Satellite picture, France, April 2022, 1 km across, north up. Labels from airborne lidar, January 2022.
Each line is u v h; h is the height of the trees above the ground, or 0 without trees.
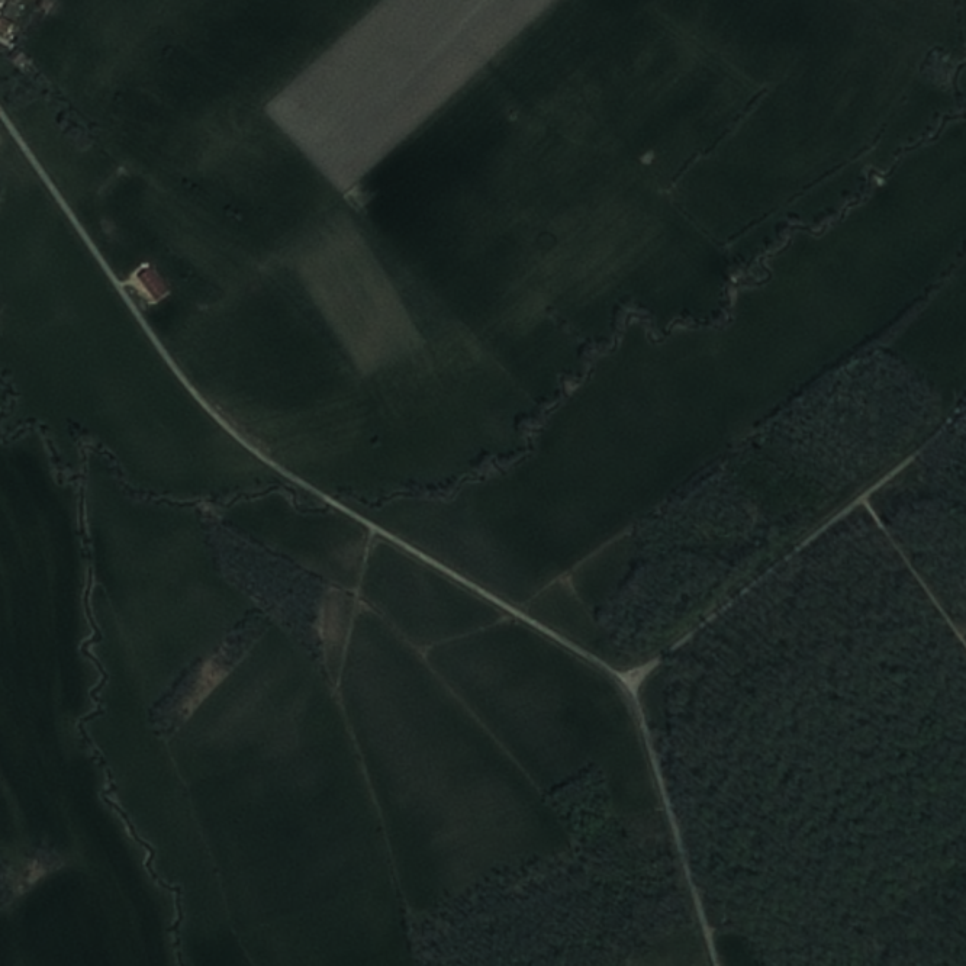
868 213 0
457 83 0
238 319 0
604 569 0
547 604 0
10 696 0
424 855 0
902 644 23
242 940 0
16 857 0
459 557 0
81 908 0
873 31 0
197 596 0
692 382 0
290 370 0
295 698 0
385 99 0
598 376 0
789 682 28
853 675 27
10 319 0
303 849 0
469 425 0
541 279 0
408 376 0
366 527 0
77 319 0
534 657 0
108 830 0
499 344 0
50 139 0
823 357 0
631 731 0
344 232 0
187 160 0
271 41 0
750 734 27
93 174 0
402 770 0
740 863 23
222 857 0
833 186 0
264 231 0
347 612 0
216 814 0
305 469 0
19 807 0
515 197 0
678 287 0
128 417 0
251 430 0
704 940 0
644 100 0
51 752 0
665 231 0
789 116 0
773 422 12
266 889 0
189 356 0
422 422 0
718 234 0
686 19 0
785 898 23
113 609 0
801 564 28
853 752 24
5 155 0
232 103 0
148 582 0
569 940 21
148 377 0
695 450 0
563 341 0
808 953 19
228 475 0
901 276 0
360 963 0
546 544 0
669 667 11
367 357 0
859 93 0
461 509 0
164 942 0
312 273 0
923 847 25
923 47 0
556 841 0
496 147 0
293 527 0
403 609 0
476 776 0
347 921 0
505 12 0
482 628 0
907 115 0
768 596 25
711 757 25
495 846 0
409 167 0
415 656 0
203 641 0
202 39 0
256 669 0
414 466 0
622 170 0
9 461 0
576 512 0
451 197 0
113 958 0
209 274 0
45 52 0
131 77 0
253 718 0
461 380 0
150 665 0
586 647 0
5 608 0
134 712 0
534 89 0
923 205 0
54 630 0
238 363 0
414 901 0
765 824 24
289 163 0
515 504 0
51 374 0
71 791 0
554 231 0
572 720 0
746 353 0
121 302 0
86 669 0
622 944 23
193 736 0
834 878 25
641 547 11
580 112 0
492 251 0
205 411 0
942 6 0
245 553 18
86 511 0
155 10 0
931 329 0
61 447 0
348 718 0
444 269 0
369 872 0
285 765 0
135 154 0
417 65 0
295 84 0
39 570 0
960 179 0
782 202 0
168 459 0
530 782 0
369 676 0
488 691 0
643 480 0
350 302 0
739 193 0
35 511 0
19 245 0
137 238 0
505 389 0
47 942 0
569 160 0
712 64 0
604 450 0
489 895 16
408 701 0
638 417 0
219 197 0
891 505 0
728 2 0
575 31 0
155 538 0
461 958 21
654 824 0
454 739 0
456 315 0
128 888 0
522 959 21
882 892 24
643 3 0
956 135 0
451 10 0
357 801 0
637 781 0
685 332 0
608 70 0
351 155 0
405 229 0
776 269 0
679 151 0
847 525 0
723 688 28
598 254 0
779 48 0
